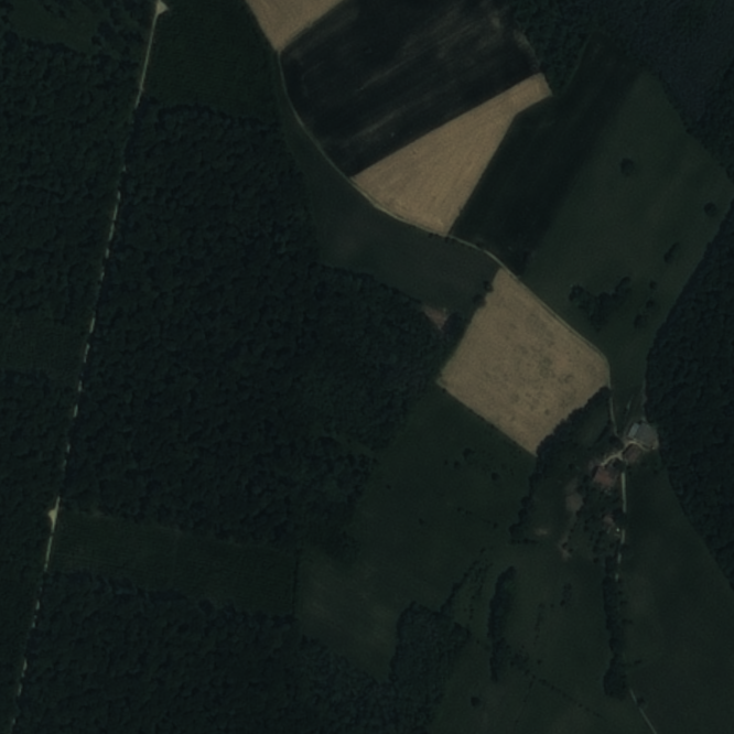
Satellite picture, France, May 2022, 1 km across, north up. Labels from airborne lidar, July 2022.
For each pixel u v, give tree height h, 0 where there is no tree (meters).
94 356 21
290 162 24
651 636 0
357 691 12
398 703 27
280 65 0
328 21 0
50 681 28
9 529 29
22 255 27
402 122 0
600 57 0
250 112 8
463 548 0
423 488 0
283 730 22
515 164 0
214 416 29
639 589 0
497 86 0
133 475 27
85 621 27
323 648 26
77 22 0
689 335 22
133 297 30
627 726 0
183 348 29
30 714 25
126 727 30
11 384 27
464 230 0
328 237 0
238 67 6
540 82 0
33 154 28
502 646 16
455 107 0
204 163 31
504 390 0
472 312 0
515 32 0
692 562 0
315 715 33
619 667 17
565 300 0
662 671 0
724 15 13
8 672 25
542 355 0
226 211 32
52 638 23
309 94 0
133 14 29
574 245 0
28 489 26
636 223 0
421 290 0
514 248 0
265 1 0
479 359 0
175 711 31
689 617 0
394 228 0
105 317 26
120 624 28
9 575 15
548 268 0
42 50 24
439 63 0
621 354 0
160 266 32
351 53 0
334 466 34
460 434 0
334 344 31
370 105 0
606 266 0
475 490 0
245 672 31
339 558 13
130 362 29
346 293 28
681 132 0
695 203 0
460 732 0
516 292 0
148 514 26
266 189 31
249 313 31
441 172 0
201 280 23
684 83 12
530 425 0
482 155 0
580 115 0
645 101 0
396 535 0
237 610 28
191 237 28
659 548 0
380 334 30
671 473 12
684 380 22
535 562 0
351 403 28
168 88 5
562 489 0
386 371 26
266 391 31
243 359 27
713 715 0
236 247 30
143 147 16
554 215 0
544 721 0
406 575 0
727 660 0
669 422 25
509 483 0
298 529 27
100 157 25
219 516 32
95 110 21
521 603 0
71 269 25
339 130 0
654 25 16
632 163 15
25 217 27
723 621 0
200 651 29
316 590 0
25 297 27
